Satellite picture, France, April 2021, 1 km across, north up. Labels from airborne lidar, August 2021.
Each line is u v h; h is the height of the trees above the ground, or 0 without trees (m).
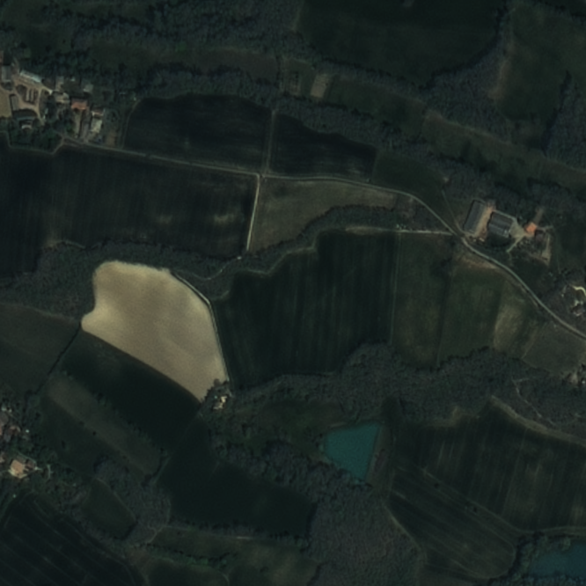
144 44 19
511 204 14
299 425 0
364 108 0
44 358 0
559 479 0
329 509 22
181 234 0
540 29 0
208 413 13
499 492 0
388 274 0
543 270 0
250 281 0
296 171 0
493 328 0
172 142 0
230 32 23
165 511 10
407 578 26
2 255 0
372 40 0
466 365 21
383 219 19
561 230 0
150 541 14
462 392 18
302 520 0
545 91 0
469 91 23
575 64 0
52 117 13
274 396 16
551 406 15
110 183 0
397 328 0
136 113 0
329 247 0
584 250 0
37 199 0
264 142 0
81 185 0
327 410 0
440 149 0
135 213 0
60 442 0
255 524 0
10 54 6
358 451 0
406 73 0
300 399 20
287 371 0
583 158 22
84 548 0
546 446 0
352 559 17
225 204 0
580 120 18
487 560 0
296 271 0
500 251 12
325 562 11
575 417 20
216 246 0
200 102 0
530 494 0
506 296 0
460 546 0
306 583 0
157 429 0
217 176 0
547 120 0
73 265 23
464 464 0
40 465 9
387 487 0
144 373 0
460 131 0
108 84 17
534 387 14
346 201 0
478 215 0
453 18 0
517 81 0
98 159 0
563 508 0
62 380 0
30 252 0
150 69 0
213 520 0
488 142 0
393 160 0
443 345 0
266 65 0
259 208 0
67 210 0
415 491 0
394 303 0
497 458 0
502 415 0
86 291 17
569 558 0
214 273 15
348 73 20
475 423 0
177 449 0
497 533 0
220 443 19
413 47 0
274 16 23
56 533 0
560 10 13
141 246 18
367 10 0
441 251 0
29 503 0
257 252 0
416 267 0
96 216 0
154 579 0
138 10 0
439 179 0
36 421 10
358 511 19
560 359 0
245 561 0
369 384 27
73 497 10
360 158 0
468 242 11
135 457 0
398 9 0
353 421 7
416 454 0
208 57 0
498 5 0
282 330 0
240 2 27
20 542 0
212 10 21
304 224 0
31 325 0
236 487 0
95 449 0
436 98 20
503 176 0
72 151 0
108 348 0
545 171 0
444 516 0
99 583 0
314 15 0
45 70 13
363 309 0
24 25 0
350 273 0
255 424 13
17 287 17
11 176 0
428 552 0
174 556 14
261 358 0
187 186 0
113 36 18
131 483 21
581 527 0
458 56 0
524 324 0
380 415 14
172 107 0
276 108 16
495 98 0
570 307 12
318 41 0
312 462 14
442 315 0
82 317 17
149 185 0
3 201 0
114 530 0
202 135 0
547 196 19
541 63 0
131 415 0
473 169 18
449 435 0
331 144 0
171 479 0
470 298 0
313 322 0
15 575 0
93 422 0
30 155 0
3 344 0
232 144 0
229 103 0
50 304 18
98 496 0
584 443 0
